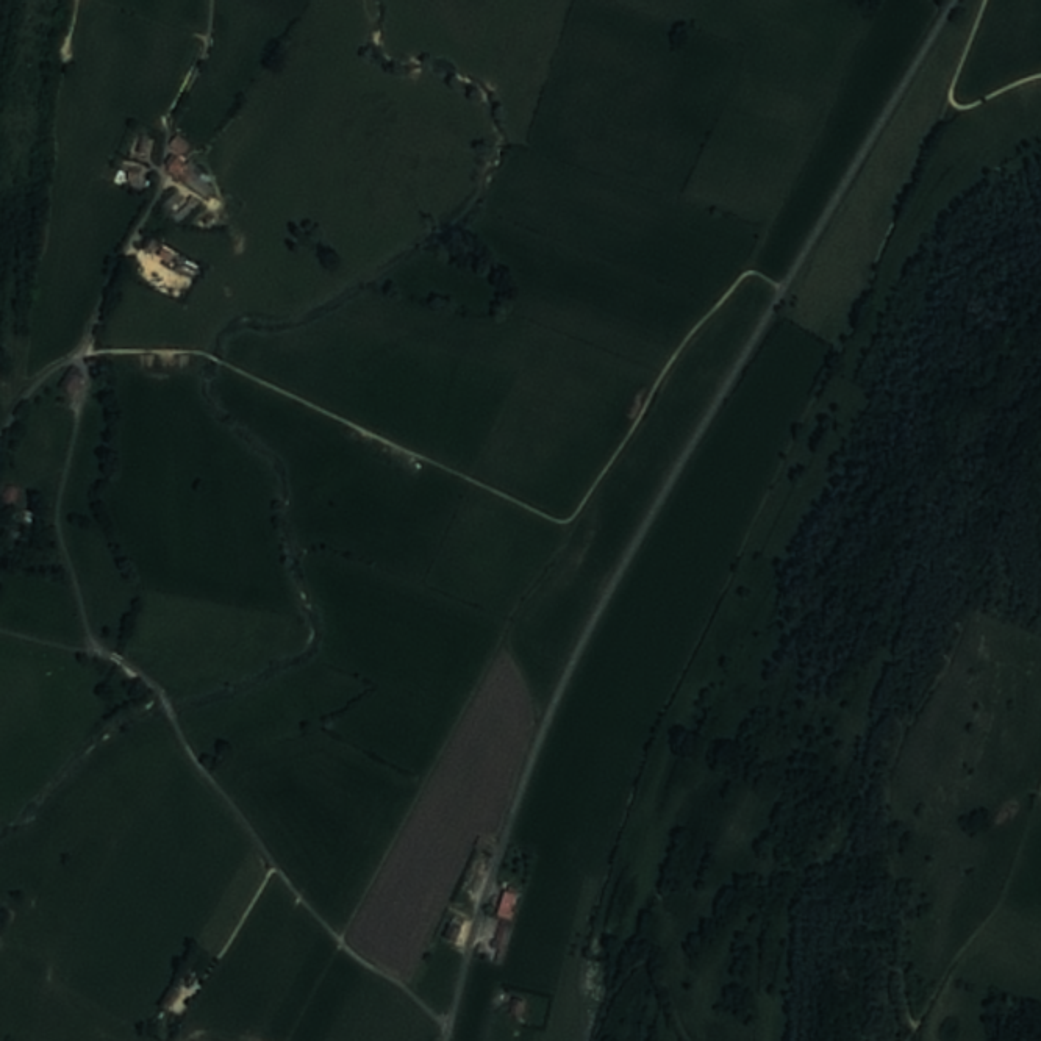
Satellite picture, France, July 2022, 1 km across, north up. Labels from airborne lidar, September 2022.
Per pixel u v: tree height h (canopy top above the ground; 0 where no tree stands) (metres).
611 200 0
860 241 0
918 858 0
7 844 0
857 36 0
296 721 0
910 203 19
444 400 0
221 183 0
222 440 0
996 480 8
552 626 0
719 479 0
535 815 0
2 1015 0
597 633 0
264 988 0
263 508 0
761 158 0
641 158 0
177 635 0
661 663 0
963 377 21
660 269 0
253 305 0
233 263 0
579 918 0
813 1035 15
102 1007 0
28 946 0
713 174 0
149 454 0
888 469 21
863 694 0
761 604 0
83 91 0
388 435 0
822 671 8
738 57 0
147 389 0
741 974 9
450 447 0
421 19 0
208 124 0
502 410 0
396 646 0
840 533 24
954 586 16
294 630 0
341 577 0
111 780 0
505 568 0
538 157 0
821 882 18
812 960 18
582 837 0
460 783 0
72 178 0
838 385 0
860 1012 13
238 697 0
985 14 0
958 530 18
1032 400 15
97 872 0
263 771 0
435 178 0
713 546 0
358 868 0
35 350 0
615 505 0
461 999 0
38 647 0
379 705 0
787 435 0
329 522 0
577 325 0
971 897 0
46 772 0
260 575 0
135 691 18
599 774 0
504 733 0
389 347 0
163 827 0
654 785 0
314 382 0
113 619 0
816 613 12
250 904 0
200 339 0
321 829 0
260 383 0
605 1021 7
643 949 12
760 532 0
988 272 20
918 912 8
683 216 0
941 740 0
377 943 0
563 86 0
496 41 0
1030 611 13
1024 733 0
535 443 0
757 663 0
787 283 0
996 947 0
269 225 0
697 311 0
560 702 0
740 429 0
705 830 0
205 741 0
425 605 0
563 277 0
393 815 0
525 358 0
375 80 0
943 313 18
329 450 0
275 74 27
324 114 0
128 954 0
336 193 0
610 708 0
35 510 19
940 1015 0
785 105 0
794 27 0
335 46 0
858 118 0
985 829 13
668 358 0
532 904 0
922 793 0
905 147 0
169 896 0
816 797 11
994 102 0
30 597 0
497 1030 0
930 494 13
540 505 0
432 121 0
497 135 0
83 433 0
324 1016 0
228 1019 0
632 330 0
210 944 0
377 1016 0
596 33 0
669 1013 10
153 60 0
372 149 0
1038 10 0
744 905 15
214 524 0
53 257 0
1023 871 0
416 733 0
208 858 0
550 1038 0
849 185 0
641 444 0
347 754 0
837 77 0
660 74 0
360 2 0
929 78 0
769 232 0
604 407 0
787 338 0
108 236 0
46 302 0
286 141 0
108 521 13
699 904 0
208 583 0
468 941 0
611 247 0
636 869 0
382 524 0
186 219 7
